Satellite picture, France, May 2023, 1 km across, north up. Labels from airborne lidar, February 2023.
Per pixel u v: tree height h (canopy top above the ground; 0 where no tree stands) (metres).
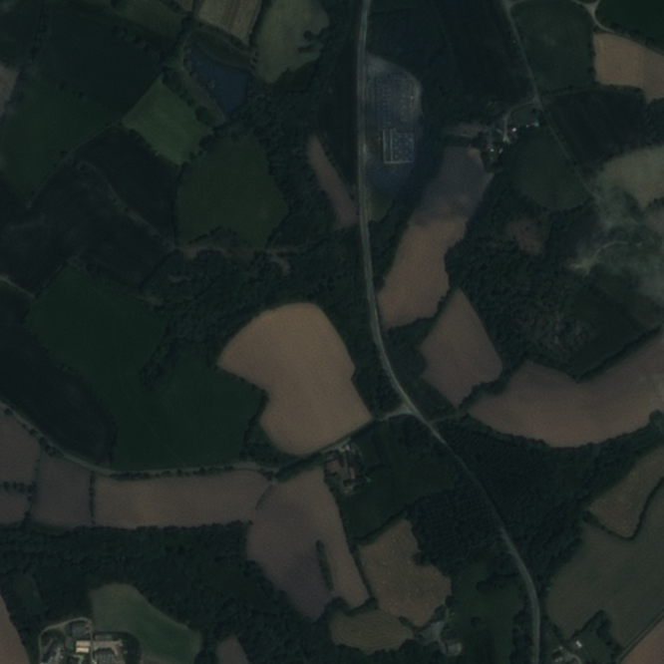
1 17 0
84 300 0
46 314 0
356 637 0
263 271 12
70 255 0
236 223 0
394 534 0
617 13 0
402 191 11
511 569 9
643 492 0
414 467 0
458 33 0
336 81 0
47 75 0
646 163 0
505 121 0
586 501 16
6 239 0
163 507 0
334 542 0
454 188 0
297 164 19
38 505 0
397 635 0
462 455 35
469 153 0
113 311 0
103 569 22
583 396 0
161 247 0
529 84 7
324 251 14
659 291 26
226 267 17
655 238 10
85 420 0
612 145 0
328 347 0
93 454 0
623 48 0
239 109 7
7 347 0
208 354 17
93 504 7
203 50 0
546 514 18
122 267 0
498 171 13
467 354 0
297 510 0
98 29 0
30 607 0
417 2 0
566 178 0
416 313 0
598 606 0
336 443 0
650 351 0
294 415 0
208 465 0
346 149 0
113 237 0
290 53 0
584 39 0
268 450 15
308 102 13
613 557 0
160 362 6
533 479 25
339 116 0
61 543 20
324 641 14
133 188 0
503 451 36
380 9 0
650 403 0
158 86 0
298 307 0
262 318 0
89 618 0
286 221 10
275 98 7
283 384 0
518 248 9
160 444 0
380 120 0
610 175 0
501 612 0
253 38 11
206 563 0
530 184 0
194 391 0
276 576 0
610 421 0
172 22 0
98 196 0
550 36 0
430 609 0
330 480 11
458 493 13
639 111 0
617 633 0
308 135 16
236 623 10
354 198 11
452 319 0
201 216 0
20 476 0
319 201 12
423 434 36
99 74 0
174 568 22
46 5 10
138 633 0
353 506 0
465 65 0
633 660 0
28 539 9
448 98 11
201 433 0
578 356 0
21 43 0
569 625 0
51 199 0
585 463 11
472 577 0
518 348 16
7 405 11
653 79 0
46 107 0
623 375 0
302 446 0
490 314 17
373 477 13
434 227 0
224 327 28
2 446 0
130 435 0
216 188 0
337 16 15
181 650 0
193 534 14
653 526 0
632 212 10
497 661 0
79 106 0
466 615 0
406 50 5
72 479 0
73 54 0
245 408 0
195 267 15
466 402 11
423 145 19
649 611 0
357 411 0
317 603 0
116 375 0
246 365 0
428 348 0
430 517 34
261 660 22
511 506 26
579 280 13
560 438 0
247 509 0
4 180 0
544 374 0
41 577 17
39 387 0
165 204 0
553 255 8
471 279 13
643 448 9
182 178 10
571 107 0
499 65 0
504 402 0
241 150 0
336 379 0
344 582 0
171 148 0
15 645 0
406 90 0
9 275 0
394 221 11
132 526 0
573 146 0
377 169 0
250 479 0
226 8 0
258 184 0
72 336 0
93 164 0
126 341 0
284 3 0
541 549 9
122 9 19
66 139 0
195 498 0
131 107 0
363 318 8
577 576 0
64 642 0
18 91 16
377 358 9
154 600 18
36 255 0
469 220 0
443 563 23
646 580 0
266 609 0
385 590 0
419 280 0
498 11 0
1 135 0
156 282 16
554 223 8
